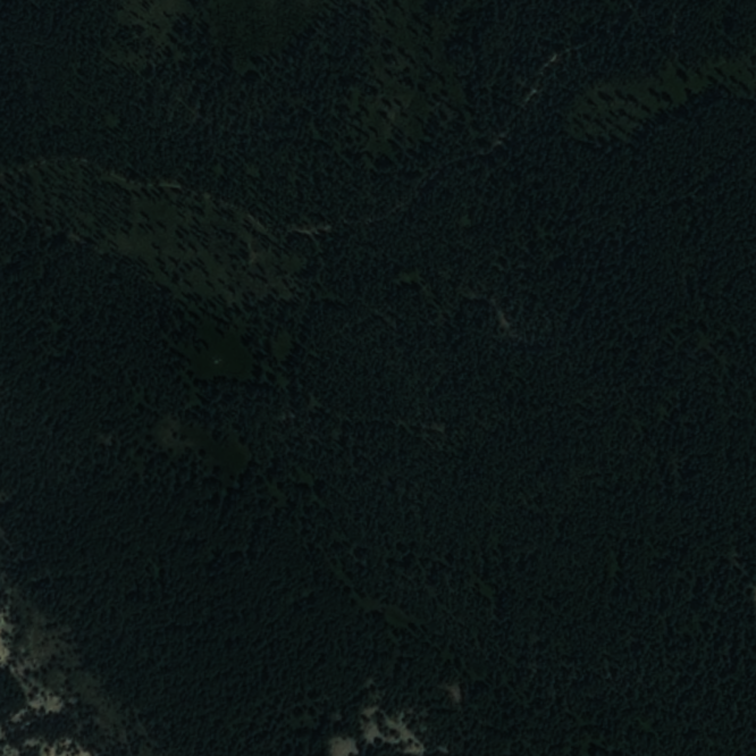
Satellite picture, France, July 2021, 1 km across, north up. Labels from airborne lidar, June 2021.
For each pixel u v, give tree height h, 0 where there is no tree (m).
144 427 12
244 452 0
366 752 14
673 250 22
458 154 28
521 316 16
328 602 21
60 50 18
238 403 21
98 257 24
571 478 21
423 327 25
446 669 15
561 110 8
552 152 23
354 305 24
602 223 19
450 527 21
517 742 20
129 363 20
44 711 7
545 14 16
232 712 18
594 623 24
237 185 27
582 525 23
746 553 16
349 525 21
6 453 15
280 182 26
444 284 22
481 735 10
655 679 15
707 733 16
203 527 24
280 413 19
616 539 24
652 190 21
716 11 26
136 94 26
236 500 21
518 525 19
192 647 20
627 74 23
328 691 15
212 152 19
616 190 27
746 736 18
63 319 22
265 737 18
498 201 30
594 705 15
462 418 19
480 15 11
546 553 18
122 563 23
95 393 18
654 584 18
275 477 19
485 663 20
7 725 8
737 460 23
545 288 24
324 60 25
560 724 18
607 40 26
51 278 23
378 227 23
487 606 22
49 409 16
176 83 15
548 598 23
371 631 13
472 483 21
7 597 9
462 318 22
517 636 18
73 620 20
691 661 11
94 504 20
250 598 20
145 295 29
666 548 26
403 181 22
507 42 19
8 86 27
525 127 19
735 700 21
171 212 0
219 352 0
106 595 22
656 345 22
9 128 27
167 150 20
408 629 6
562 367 24
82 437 13
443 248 24
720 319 23
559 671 18
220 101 21
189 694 16
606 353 22
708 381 18
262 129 19
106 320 22
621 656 19
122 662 14
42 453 9
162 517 32
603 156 21
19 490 9
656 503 21
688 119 31
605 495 25
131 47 8
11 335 20
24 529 16
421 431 19
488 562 23
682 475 7
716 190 22
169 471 23
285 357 0
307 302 30
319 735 22
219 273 0
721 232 21
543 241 28
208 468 13
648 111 25
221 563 21
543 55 18
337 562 17
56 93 19
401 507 20
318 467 21
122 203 24
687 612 17
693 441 18
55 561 21
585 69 17
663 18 22
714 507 19
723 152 20
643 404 19
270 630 21
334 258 29
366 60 25
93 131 21
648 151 27
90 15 26
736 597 20
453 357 23
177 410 14
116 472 23
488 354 27
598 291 19
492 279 23
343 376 24
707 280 22
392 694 10
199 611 26
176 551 27
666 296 21
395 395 21
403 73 6
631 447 19
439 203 22
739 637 18
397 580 16
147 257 0
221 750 18
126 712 10
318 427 23
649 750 18
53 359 17
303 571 19
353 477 18
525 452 23
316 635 21
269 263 0
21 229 24
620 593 25
